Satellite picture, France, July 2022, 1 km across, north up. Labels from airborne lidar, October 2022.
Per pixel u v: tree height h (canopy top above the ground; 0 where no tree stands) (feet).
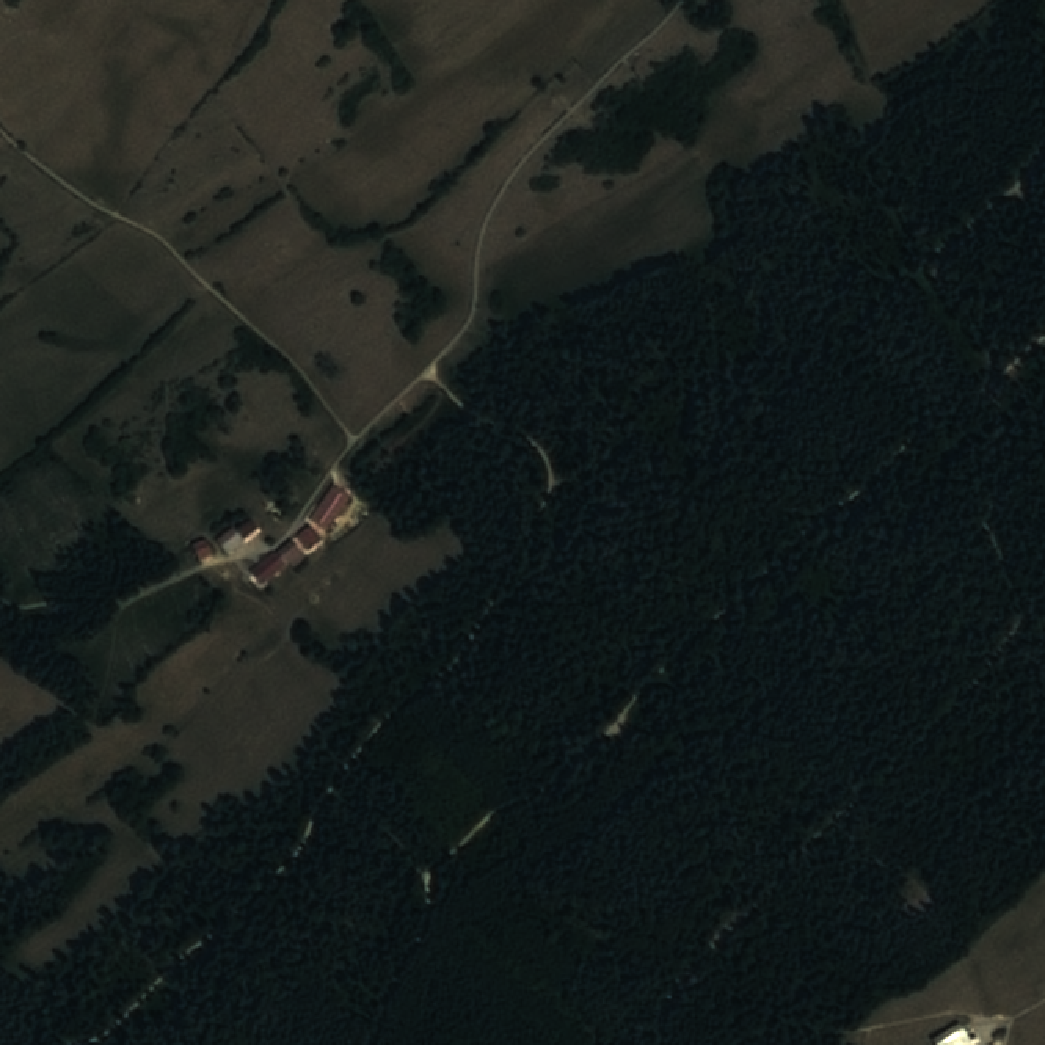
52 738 60
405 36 0
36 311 0
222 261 0
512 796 54
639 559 40
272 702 0
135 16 0
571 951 27
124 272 0
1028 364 83
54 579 53
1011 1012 0
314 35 0
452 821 23
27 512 0
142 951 20
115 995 25
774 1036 66
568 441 19
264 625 0
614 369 101
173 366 0
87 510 0
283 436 0
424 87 0
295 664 0
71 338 0
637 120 40
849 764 74
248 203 0
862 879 85
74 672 85
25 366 0
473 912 58
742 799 65
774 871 24
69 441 0
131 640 0
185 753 0
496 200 0
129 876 0
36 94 0
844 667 30
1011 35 61
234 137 0
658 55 0
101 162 0
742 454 35
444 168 0
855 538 117
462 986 42
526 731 59
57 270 0
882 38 0
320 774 67
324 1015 91
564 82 35
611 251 0
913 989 67
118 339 0
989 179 80
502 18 0
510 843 27
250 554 0
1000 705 97
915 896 0
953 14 0
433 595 77
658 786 92
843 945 93
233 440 0
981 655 52
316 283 0
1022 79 84
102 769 0
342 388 0
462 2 0
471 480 62
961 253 93
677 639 84
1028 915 0
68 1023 83
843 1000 57
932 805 89
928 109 68
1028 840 82
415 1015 56
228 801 45
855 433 72
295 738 0
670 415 29
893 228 37
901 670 68
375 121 0
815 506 76
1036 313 88
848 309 106
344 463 0
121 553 42
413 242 0
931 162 56
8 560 0
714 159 0
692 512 75
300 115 0
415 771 27
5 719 0
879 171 91
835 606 63
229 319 0
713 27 48
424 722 46
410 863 42
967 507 63
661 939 74
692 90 25
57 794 0
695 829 70
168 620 0
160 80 0
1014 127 65
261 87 0
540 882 97
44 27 0
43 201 0
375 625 0
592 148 26
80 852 29
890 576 27
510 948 27
